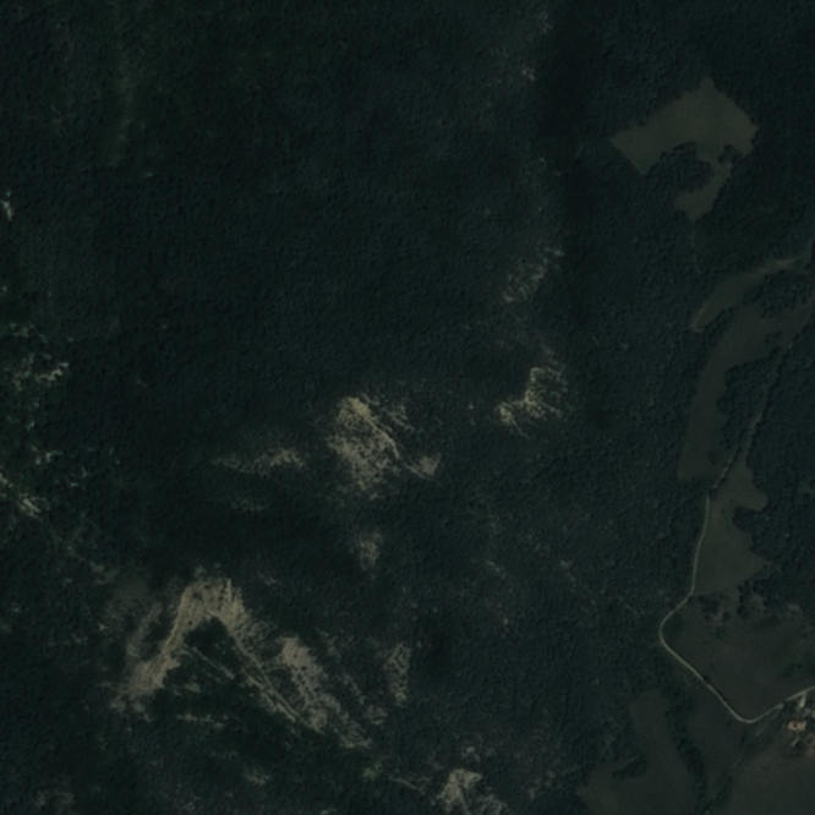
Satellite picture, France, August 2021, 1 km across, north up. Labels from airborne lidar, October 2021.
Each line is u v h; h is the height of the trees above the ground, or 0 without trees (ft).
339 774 48
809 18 52
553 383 21
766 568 28
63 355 28
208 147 40
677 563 40
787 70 40
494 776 31
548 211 22
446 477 37
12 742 65
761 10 63
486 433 32
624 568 36
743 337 0
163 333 32
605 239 46
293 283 50
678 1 66
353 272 44
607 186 58
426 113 44
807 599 28
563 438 26
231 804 43
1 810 72
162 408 78
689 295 44
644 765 32
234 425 48
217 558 37
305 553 40
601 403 37
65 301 45
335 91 36
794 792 0
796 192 26
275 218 63
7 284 31
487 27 39
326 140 43
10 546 21
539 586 30
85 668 22
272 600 32
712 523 0
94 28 23
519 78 32
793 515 42
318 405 49
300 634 18
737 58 56
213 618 24
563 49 58
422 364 43
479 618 21
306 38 34
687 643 0
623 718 34
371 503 19
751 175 55
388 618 26
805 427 47
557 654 40
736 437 35
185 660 22
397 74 30
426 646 24
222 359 49
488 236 46
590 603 20
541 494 35
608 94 47
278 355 44
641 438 26
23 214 65
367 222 64
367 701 21
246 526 45
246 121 35
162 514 24
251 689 27
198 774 40
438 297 44
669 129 0
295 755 30
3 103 28
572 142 41
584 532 23
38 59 70
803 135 40
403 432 27
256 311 45
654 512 32
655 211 62
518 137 49
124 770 41
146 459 49
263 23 43
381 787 29
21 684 51
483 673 44
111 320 19
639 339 41
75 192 65
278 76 22
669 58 38
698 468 0
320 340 27
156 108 26
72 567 21
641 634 23
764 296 40
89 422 59
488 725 23
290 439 30
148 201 78
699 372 32
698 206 0
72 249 24
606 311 48
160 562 35
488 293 35
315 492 36
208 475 33
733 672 0
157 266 60
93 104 36
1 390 53
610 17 49
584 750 45
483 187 32
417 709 28
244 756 32
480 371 40
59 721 63
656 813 0
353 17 34
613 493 31
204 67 39
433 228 46
